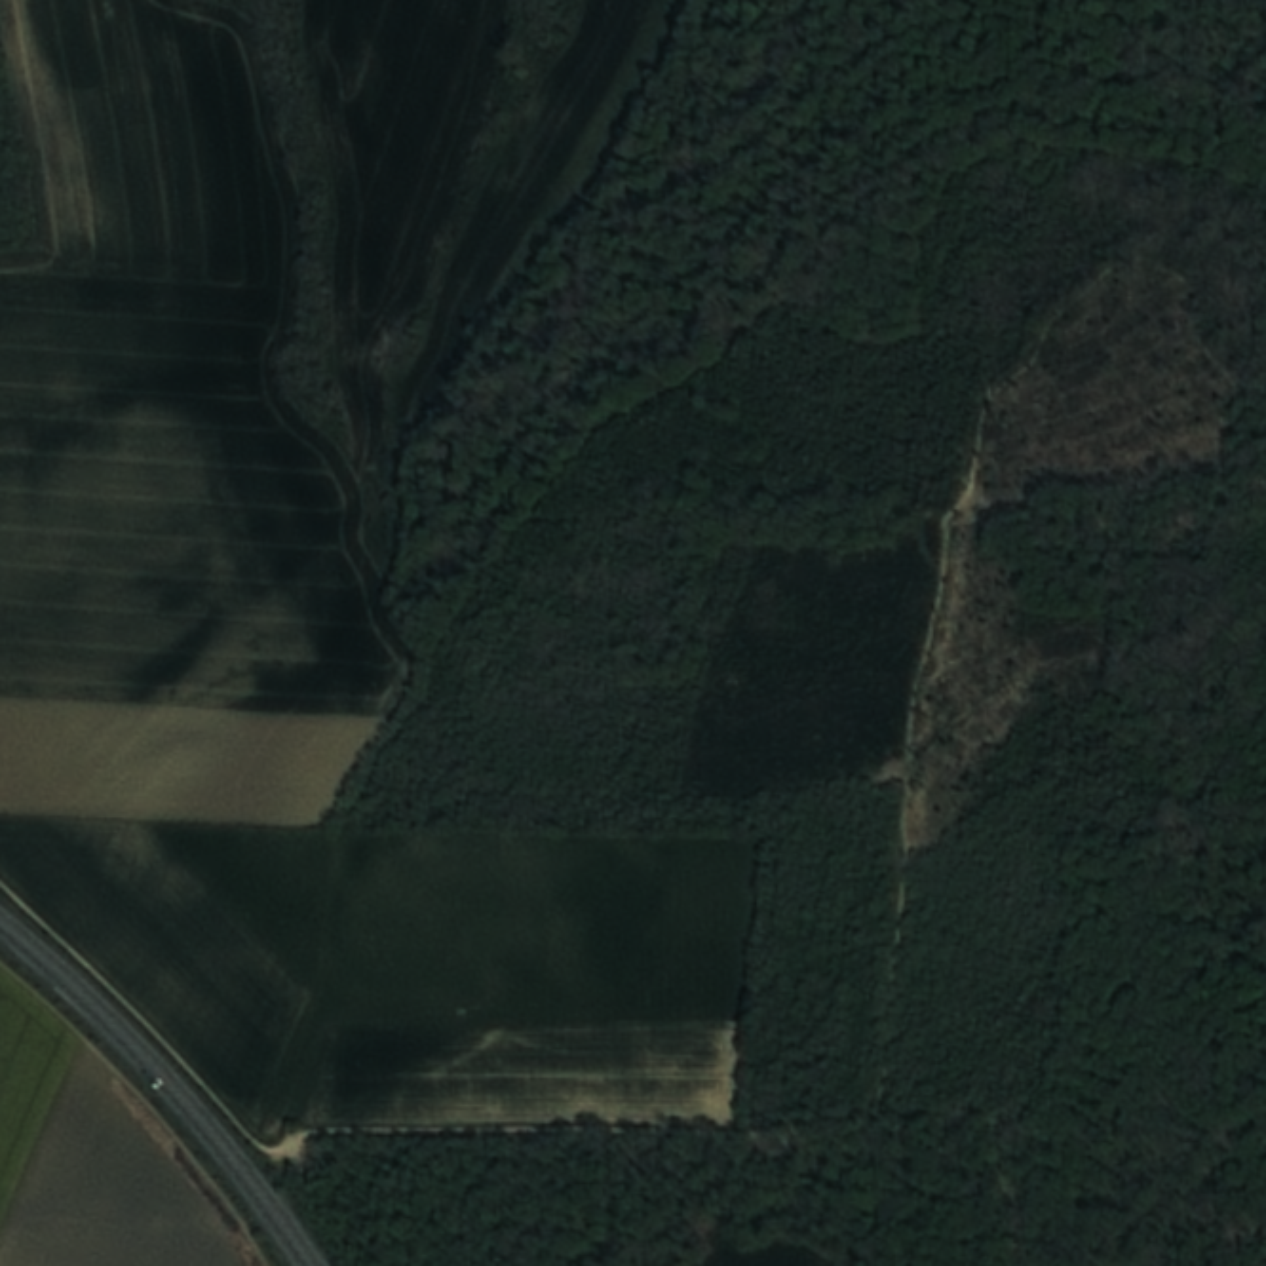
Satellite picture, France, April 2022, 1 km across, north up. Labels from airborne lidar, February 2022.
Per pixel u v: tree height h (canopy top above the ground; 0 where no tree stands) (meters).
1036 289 10
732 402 8
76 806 0
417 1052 0
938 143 10
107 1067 0
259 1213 0
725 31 17
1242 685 30
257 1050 0
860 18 18
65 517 0
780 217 13
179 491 0
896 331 20
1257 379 22
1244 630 27
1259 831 28
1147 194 28
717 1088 0
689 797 6
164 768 0
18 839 0
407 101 0
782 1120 14
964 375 9
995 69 21
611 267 26
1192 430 0
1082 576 24
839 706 0
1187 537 26
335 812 6
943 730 0
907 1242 27
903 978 9
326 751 0
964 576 0
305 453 0
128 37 0
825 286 27
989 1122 21
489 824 13
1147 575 27
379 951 0
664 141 15
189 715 0
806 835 9
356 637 0
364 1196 23
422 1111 0
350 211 0
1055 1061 20
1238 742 25
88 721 0
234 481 0
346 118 0
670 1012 0
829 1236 25
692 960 0
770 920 7
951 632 0
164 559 0
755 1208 26
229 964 0
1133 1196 28
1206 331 8
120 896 0
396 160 0
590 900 0
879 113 23
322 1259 0
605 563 9
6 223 17
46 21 0
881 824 10
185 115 0
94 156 0
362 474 0
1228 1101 26
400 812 9
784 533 24
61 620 0
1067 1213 25
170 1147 0
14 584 0
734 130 26
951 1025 8
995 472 10
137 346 0
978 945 6
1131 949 27
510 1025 0
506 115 9
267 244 0
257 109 0
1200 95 27
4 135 18
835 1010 8
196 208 0
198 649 0
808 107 20
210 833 0
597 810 10
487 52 0
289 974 0
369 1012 0
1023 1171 21
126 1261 0
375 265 0
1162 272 0
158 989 0
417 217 0
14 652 0
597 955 0
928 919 9
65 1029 0
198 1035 0
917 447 10
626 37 0
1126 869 25
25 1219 0
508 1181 24
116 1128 0
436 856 0
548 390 24
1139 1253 25
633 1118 0
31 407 0
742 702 0
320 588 0
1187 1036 25
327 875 0
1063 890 10
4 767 0
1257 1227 28
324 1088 0
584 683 8
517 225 0
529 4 21
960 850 7
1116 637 16
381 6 0
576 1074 0
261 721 0
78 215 0
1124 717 18
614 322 30
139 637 0
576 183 0
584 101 0
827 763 0
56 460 0
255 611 0
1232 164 21
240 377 0
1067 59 15
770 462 8
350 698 0
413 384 0
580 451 22
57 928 0
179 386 0
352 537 0
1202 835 32
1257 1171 23
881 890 9
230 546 0
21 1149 0
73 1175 0
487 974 0
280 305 0
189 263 0
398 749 11
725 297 26
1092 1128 21
